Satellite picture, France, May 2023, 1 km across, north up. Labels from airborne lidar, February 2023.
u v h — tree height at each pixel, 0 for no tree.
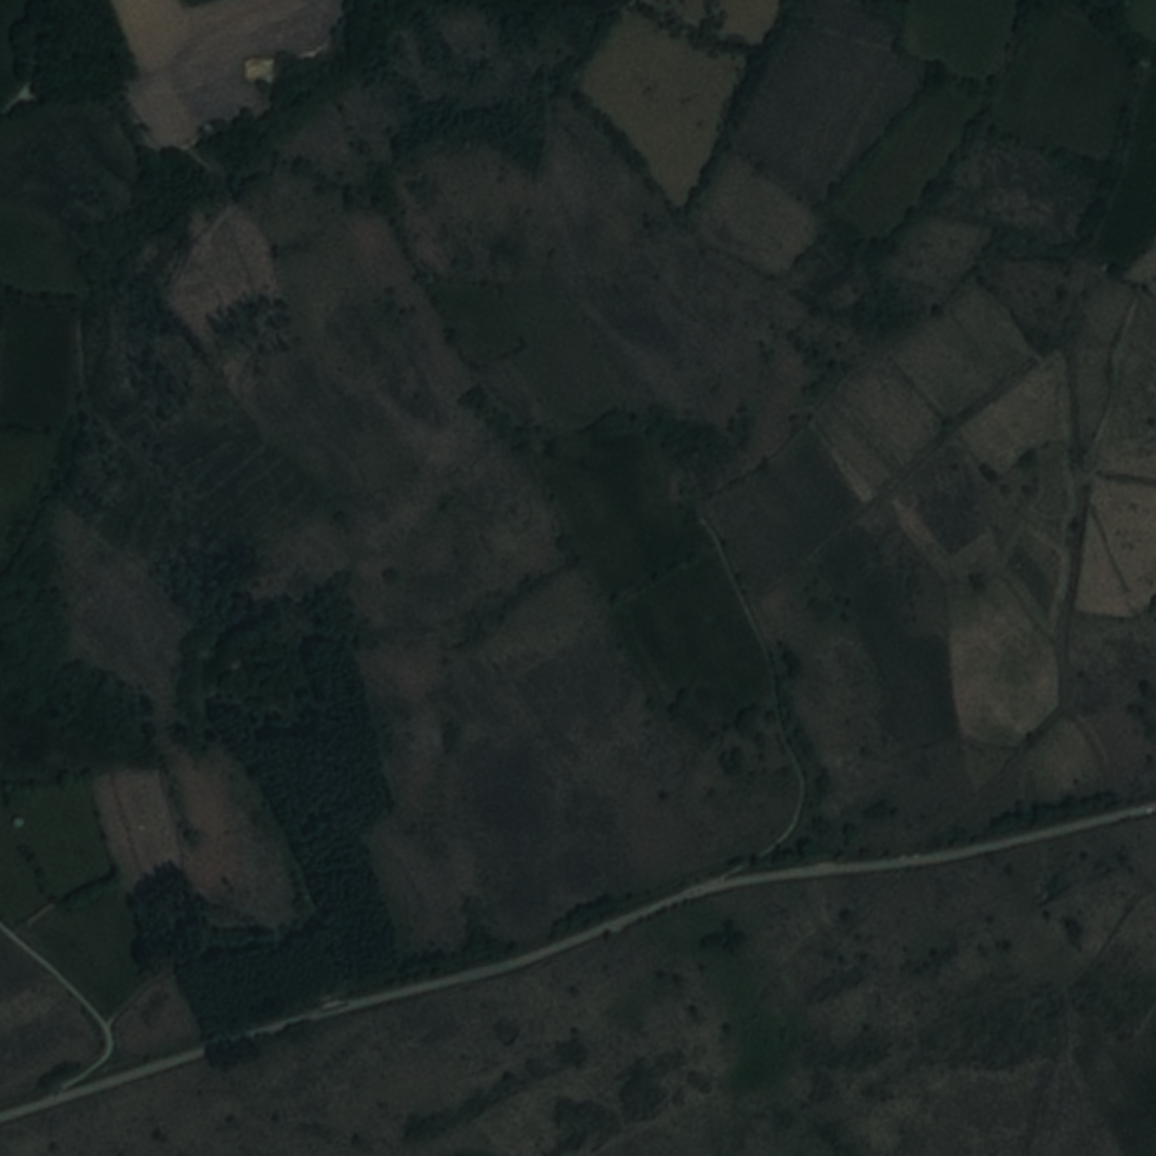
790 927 0
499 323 0
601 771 0
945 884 0
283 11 0
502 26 12
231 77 0
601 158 0
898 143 0
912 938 0
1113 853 0
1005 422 0
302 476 0
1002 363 0
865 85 0
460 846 0
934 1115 0
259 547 0
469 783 0
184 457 0
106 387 0
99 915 0
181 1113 0
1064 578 0
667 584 0
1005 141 6
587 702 0
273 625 23
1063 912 0
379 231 0
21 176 0
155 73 0
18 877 0
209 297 0
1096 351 0
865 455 0
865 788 0
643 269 0
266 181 6
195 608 17
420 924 0
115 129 0
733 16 0
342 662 25
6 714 0
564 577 0
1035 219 0
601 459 0
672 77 0
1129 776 0
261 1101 0
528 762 0
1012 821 9
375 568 0
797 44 0
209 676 0
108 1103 0
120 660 0
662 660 0
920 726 0
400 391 0
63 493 16
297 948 19
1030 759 0
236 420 0
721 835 0
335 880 21
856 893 0
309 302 0
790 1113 0
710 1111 0
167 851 0
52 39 18
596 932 0
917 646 0
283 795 23
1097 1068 0
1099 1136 0
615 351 0
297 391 0
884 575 0
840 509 0
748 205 0
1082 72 0
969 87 7
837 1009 0
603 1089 0
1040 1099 0
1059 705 0
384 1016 0
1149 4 0
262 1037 8
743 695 0
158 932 9
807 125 0
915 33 0
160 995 0
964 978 0
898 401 0
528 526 0
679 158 0
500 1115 0
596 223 0
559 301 0
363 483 0
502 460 0
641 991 0
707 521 0
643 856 0
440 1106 0
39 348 0
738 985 0
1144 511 0
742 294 0
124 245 8
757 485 0
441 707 0
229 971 19
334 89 8
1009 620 0
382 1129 0
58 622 6
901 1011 0
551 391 0
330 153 0
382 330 0
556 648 0
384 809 13
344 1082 0
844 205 0
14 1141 0
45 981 0
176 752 0
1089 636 0
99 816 8
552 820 0
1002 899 0
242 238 0
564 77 9
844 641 0
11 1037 0
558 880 0
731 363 0
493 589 0
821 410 0
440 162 0
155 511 0
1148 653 0
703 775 0
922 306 0
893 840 0
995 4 0
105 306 0
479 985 0
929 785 0
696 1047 0
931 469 0
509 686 0
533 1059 0
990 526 0
